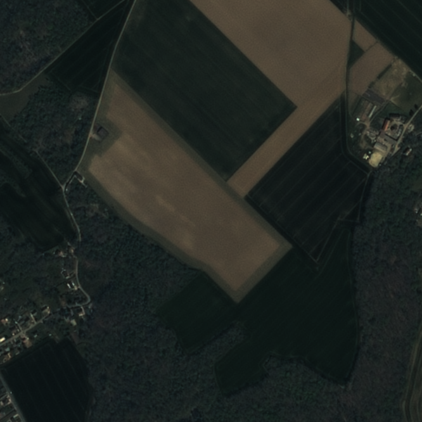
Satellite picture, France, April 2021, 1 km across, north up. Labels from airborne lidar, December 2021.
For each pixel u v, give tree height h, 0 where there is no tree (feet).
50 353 0
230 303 0
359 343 0
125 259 53
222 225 0
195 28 0
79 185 43
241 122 0
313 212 0
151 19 0
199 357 37
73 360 0
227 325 0
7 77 53
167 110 0
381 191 59
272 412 51
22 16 80
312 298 0
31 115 33
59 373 0
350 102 0
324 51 0
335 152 0
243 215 0
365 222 62
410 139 64
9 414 0
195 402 54
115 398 28
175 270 42
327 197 0
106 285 19
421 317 59
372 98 0
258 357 0
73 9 64
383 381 91
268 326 0
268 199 0
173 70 0
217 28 0
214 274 0
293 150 0
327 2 0
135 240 51
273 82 0
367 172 0
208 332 0
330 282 0
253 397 63
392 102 0
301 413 67
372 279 76
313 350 0
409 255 90
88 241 50
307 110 0
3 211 0
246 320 0
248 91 0
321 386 48
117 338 75
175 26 0
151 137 0
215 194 0
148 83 0
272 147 0
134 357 82
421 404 0
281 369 66
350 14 0
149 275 62
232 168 0
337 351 0
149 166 0
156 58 0
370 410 97
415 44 0
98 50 0
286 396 38
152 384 67
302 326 0
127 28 0
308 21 0
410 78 0
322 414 65
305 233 0
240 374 0
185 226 0
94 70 0
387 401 74
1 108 0
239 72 0
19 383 0
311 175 0
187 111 0
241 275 0
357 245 40
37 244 0
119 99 0
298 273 0
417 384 0
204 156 0
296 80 0
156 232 0
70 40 48
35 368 0
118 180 0
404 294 77
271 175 0
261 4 0
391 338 77
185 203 0
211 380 49
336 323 0
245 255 0
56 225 0
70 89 0
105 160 0
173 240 0
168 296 45
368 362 67
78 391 0
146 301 51
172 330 45
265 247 0
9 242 65
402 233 75
